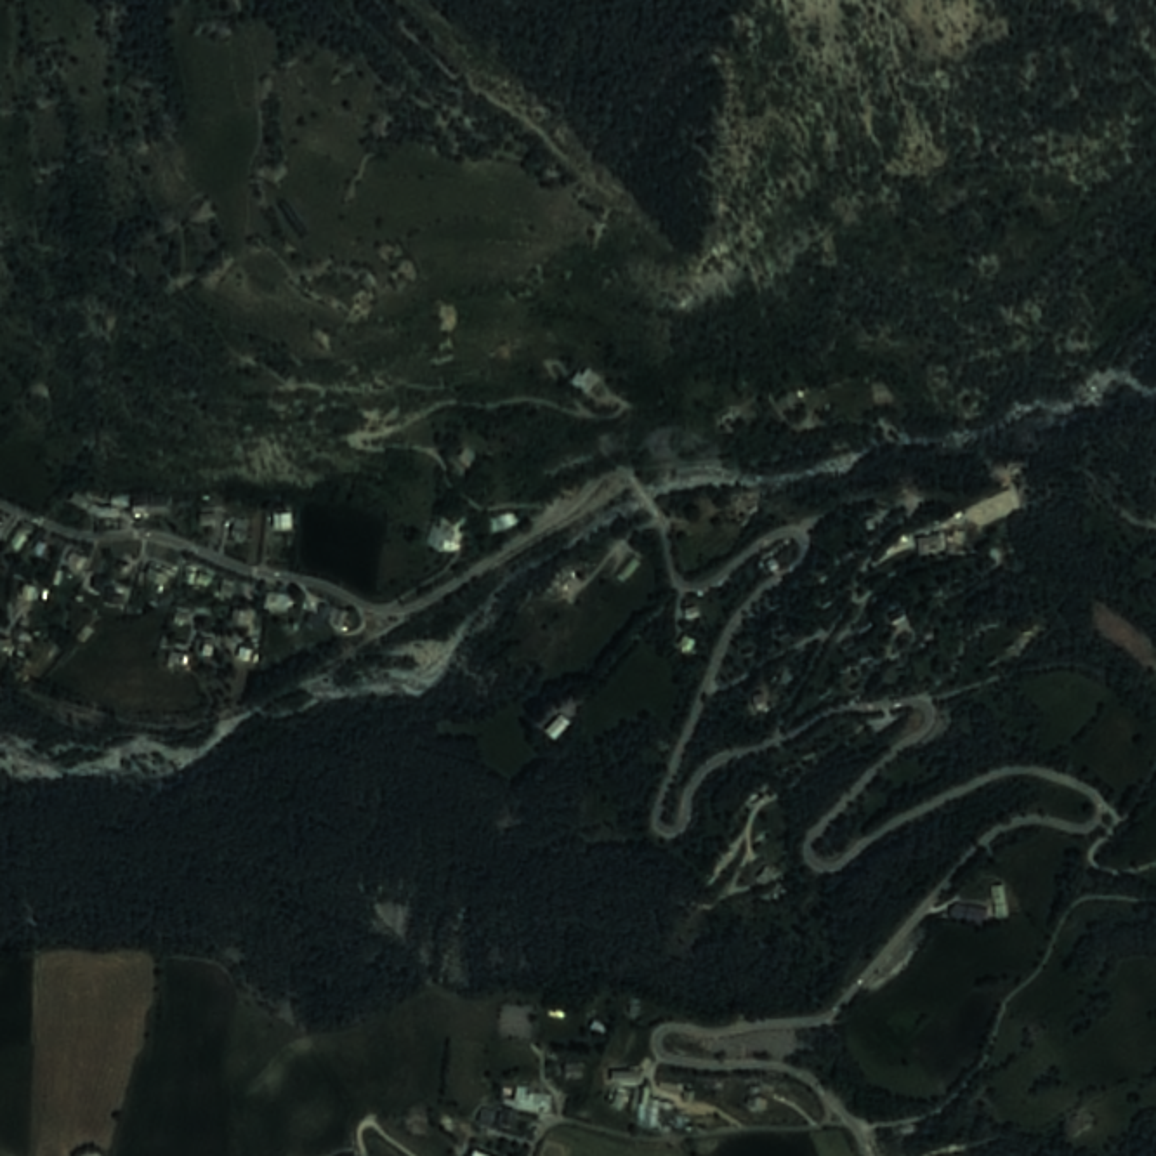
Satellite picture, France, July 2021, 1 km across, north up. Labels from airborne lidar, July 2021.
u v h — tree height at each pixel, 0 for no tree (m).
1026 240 0
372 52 11
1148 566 0
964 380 9
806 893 14
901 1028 0
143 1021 0
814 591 11
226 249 6
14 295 8
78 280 8
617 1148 0
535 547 7
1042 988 0
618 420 6
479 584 15
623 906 15
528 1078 0
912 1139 7
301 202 0
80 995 0
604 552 0
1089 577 9
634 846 13
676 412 10
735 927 12
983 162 9
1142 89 9
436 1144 0
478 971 8
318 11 11
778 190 7
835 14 0
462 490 8
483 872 7
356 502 7
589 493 0
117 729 6
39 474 0
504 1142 10
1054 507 7
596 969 6
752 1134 0
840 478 9
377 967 9
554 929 11
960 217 8
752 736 12
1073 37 9
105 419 6
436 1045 0
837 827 12
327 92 0
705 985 14
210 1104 0
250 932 13
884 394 0
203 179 0
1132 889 12
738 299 8
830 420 11
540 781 16
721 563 6
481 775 13
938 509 9
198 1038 0
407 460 5
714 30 9
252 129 0
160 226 6
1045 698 0
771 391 10
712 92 10
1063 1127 8
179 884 10
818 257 7
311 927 15
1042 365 6
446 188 0
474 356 0
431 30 10
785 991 9
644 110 11
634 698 0
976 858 11
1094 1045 0
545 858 10
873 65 5
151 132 8
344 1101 0
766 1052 7
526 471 6
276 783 16
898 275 8
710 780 8
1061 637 9
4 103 0
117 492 7
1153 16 8
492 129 7
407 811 14
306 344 0
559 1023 0
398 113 8
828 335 7
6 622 12
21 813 11
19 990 0
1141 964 0
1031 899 0
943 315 6
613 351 6
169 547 0
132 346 7
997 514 0
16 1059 0
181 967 0
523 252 0
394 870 6
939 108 6
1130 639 0
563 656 0
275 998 5
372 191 0
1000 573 10
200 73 0
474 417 13
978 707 10
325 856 8
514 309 0
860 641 11
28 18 6
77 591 6
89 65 0
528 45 13
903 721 9
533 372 8
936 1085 0
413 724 9
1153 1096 0
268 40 0
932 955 0
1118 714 0
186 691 0
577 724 8
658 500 6
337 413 7
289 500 13
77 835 11
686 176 10
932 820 11
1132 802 10
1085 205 9
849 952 10
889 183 7
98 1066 0
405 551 0
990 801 8
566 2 13
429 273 0
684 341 10
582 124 9
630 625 11
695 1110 0
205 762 7
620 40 16
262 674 14
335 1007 12
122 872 10
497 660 14
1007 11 7
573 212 0
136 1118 0
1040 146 6
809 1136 0
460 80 8
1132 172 8
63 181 11
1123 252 12
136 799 10
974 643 8
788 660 6
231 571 7
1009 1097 0
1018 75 7
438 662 0
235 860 10
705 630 13
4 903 17
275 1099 0
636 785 11
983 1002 0
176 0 11
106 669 0
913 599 12
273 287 0
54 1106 0
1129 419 8
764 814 10
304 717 11
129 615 6
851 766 13
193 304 7
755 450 8
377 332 0
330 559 0
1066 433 8
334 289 0
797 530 0
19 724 7
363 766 10
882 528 7
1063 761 9
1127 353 13
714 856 10
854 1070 12
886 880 10
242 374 7
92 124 0
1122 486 6
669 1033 0
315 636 0
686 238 9
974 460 10
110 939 8
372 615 0
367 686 0
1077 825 0
